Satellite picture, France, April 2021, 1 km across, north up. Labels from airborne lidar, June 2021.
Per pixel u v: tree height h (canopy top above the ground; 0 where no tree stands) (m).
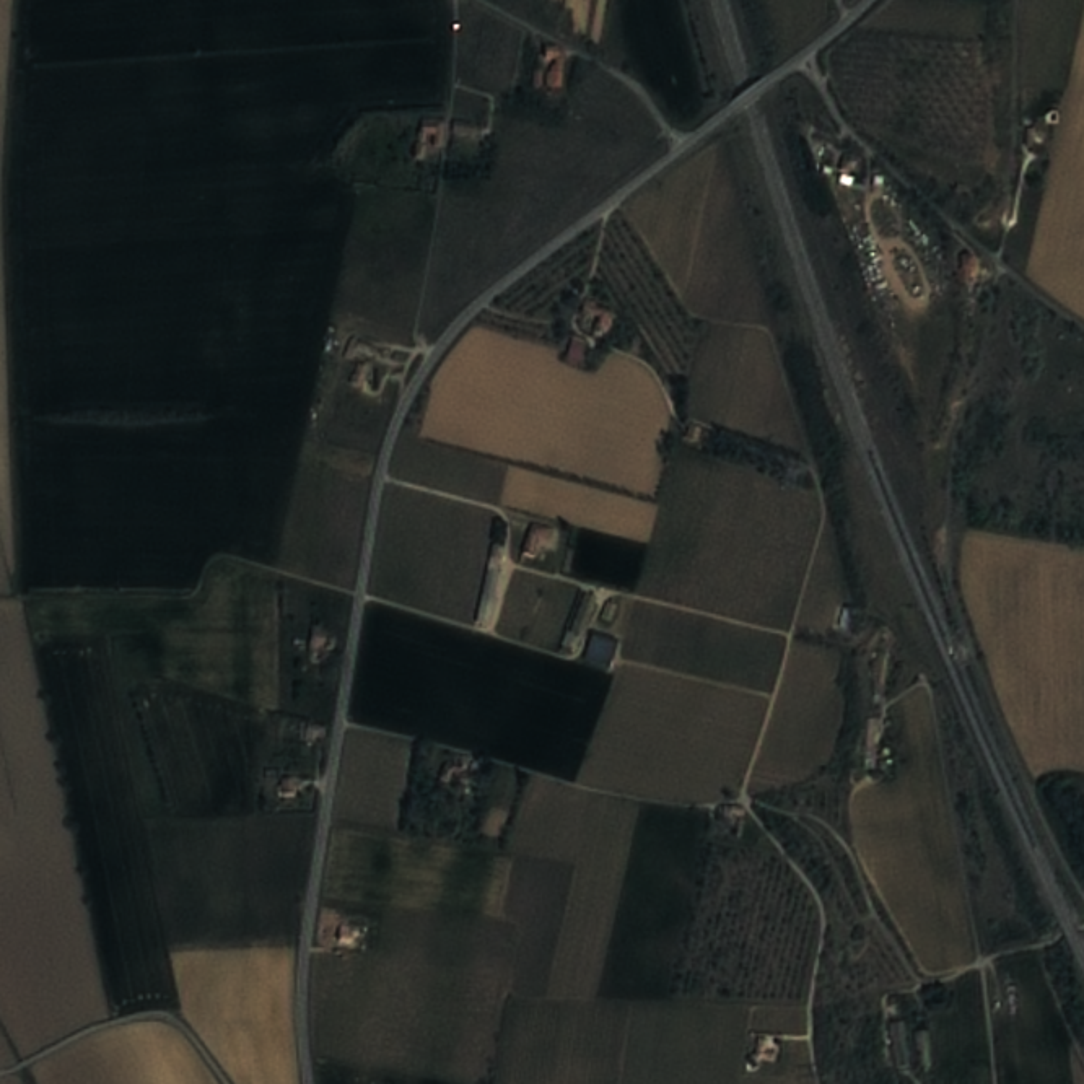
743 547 0
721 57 0
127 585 0
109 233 0
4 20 0
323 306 0
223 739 0
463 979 0
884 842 0
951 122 11
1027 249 0
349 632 0
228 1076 0
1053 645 0
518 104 11
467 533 0
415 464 0
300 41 0
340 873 0
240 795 0
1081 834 21
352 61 0
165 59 0
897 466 0
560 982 0
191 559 0
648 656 0
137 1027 0
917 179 14
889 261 0
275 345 0
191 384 0
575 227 0
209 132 0
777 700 0
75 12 0
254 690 0
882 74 13
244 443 0
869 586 0
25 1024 0
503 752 0
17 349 0
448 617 0
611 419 0
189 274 0
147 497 0
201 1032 0
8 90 0
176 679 0
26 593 0
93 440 0
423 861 0
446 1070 0
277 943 0
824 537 0
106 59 0
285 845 0
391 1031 0
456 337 0
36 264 0
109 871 0
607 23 0
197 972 0
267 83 0
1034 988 0
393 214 0
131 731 0
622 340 9
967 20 0
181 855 0
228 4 0
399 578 0
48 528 0
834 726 0
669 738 0
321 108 0
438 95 0
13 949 0
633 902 0
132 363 0
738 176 0
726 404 0
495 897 0
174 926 0
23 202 0
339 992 0
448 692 0
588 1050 0
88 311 0
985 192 10
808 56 0
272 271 0
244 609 0
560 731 0
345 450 0
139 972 0
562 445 0
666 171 0
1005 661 0
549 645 0
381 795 0
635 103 0
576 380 0
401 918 0
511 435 0
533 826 0
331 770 0
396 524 0
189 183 0
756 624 0
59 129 0
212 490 0
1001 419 9
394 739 0
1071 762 0
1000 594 0
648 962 0
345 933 0
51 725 0
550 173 0
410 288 0
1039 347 7
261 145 0
